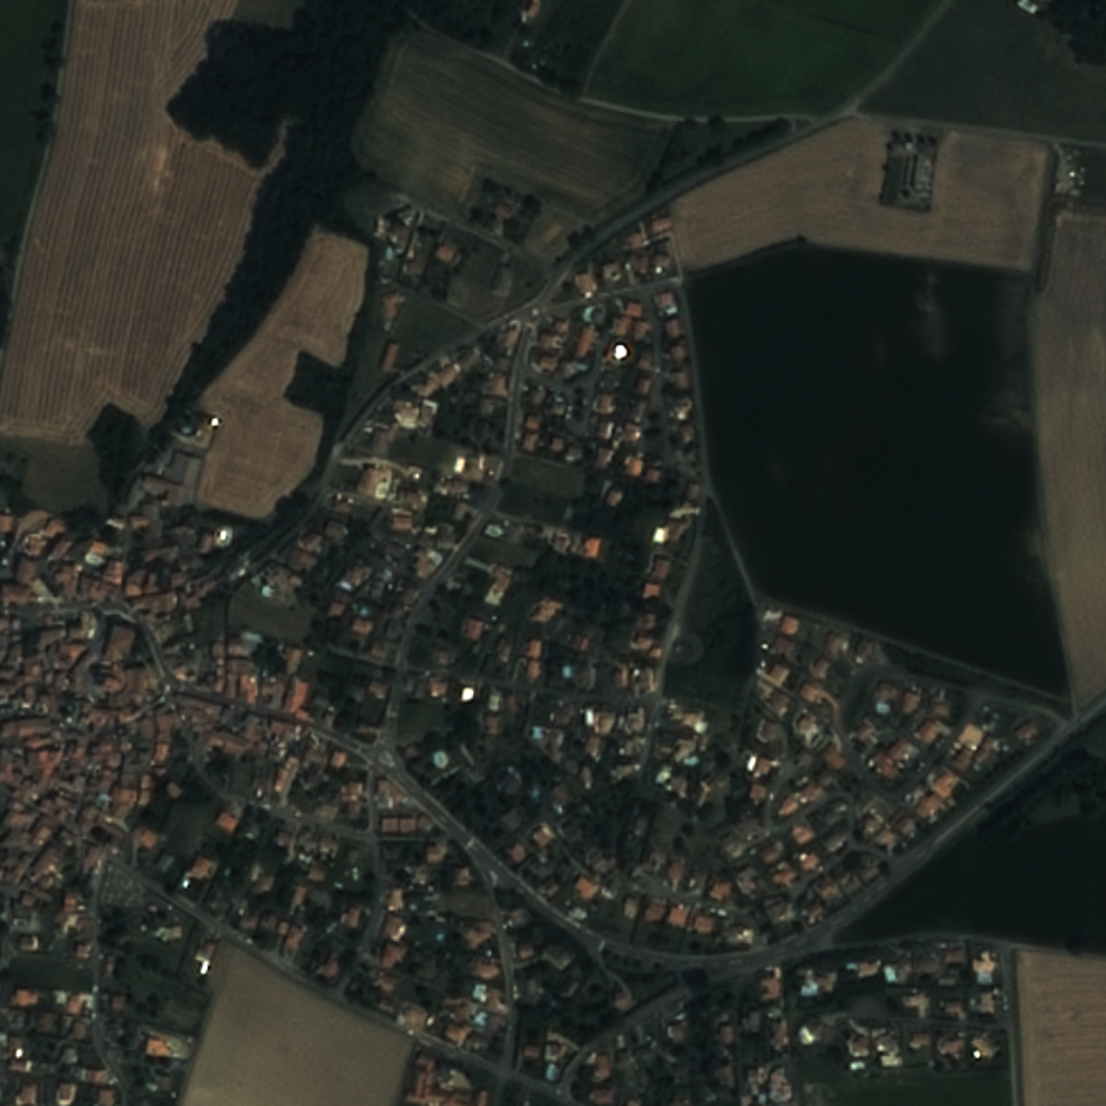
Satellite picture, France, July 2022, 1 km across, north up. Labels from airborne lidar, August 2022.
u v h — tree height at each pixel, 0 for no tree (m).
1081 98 0
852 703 0
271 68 30
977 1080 0
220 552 12
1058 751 10
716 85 0
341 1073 0
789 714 0
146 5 0
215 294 0
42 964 0
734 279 0
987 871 0
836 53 0
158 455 8
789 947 0
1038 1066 0
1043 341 0
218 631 0
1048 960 0
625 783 8
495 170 0
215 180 0
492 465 0
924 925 0
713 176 0
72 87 0
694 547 0
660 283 0
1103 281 0
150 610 0
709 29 0
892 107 0
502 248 0
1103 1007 0
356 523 7
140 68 0
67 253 0
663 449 0
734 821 9
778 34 0
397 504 0
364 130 0
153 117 0
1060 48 0
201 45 0
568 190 0
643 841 6
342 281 0
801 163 0
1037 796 22
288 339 0
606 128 0
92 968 0
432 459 0
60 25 8
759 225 0
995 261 0
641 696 0
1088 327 0
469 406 5
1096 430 0
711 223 0
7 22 0
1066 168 0
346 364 6
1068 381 0
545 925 8
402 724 0
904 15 0
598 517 19
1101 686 0
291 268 8
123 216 0
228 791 0
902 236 0
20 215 0
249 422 0
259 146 26
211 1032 0
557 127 0
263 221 20
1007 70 0
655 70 0
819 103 0
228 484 0
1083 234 0
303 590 8
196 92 20
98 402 0
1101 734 0
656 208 0
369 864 0
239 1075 0
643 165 0
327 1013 0
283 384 0
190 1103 0
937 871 0
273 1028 0
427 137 0
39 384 0
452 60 0
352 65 12
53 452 0
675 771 9
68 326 0
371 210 0
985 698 0
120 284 0
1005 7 0
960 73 0
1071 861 0
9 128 0
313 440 0
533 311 0
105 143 0
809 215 0
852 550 0
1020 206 0
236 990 0
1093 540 0
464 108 0
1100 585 0
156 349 0
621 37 0
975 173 0
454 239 0
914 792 0
